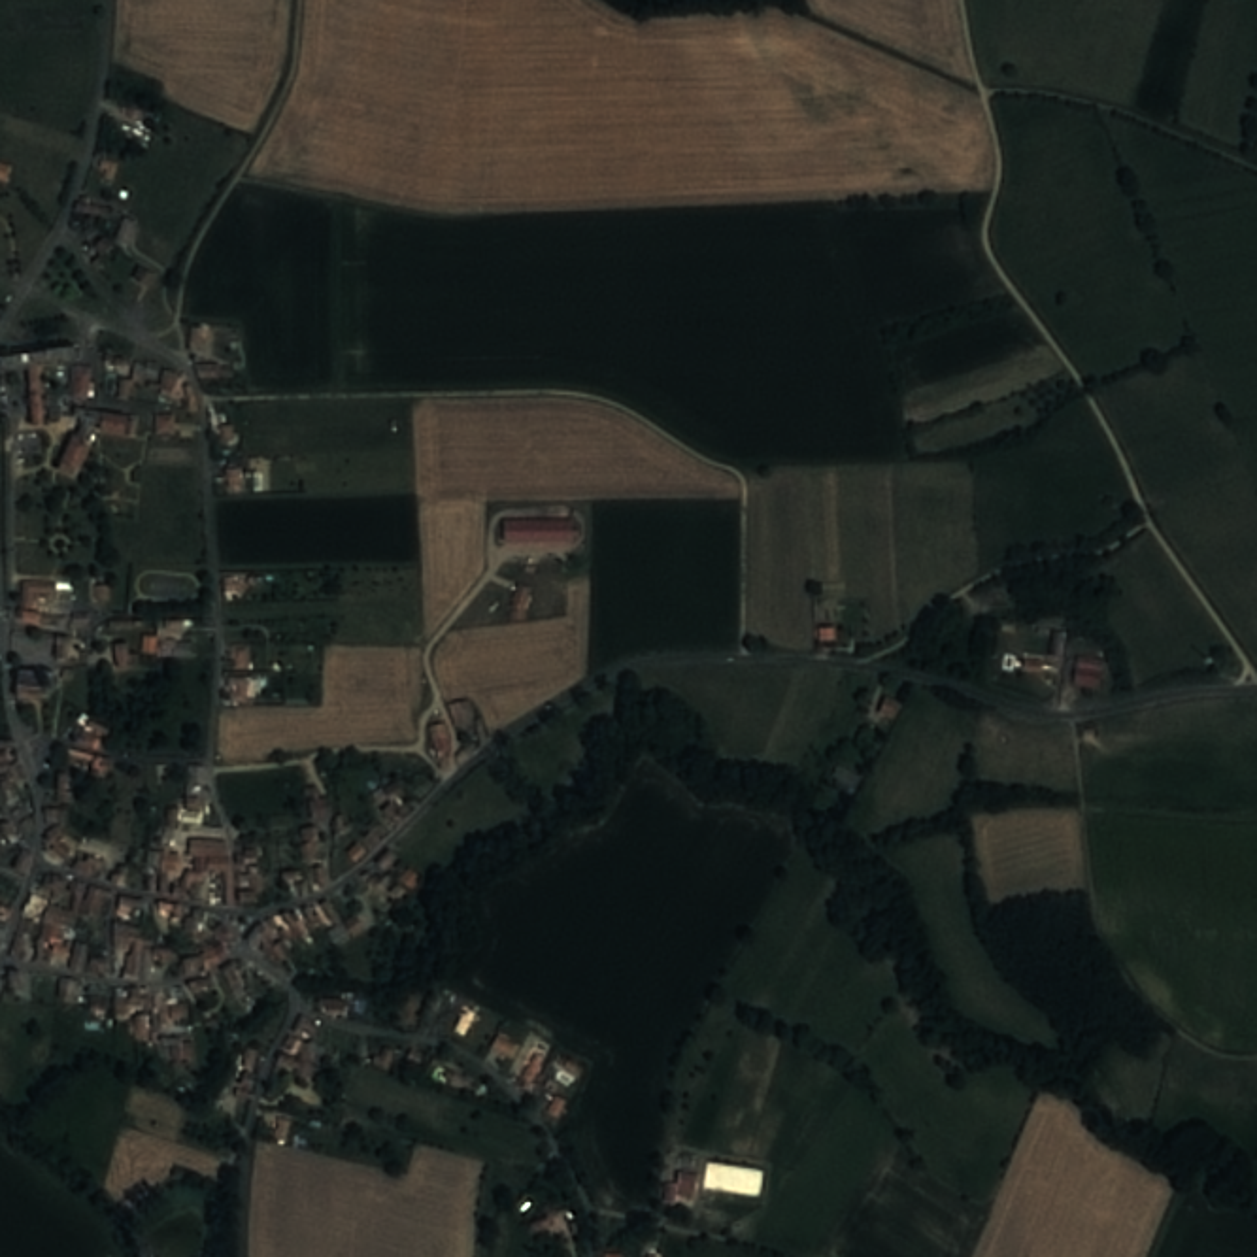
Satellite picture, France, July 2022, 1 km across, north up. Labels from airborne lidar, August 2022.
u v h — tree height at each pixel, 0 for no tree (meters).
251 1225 0
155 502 0
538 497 0
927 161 0
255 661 0
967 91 0
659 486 0
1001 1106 0
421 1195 0
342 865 0
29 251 0
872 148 0
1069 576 13
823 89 0
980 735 0
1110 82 0
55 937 0
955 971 0
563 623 0
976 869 9
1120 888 0
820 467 0
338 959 9
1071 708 0
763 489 0
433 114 0
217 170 0
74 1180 7
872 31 0
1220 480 0
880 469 0
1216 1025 0
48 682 0
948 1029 10
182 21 0
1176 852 0
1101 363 0
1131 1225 0
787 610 0
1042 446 0
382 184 0
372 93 0
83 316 0
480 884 24
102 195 6
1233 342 0
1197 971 0
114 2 0
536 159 0
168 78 0
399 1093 0
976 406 8
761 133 0
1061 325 0
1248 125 13
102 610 0
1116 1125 31
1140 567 0
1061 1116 0
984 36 0
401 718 0
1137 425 0
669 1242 0
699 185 0
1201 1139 19
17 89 0
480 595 0
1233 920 0
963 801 15
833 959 0
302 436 0
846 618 0
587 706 23
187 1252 0
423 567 0
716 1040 0
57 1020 0
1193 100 0
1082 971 14
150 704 19
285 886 12
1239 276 0
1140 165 0
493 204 0
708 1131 0
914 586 0
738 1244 12
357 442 0
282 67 0
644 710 21
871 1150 0
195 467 0
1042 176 0
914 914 21
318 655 0
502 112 0
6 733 7
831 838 19
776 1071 0
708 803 9
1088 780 0
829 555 0
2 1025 0
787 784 25
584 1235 15
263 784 0
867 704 10
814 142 0
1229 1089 0
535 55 0
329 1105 12
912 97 0
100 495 10
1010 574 12
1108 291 0
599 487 0
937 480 0
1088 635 9
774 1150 0
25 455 0
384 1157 8
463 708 0
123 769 8
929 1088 0
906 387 0
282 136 0
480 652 0
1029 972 18
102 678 14
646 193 0
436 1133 0
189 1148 0
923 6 0
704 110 0
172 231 0
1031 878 0
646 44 0
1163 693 0
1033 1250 0
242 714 0
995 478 0
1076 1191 0
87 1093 0
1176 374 0
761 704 0
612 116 0
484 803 0
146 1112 0
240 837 7
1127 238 0
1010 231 0
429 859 0
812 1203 0
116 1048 0
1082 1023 16
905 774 0
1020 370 0
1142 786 0
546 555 0
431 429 0
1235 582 0
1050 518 0
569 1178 17
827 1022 0
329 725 0
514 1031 0
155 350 0
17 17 0
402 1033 8
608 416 0
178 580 0
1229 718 0
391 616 0
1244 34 0
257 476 0
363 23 0
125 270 0
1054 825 0
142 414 0
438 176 0
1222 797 0
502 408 0
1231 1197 18
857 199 9
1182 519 0
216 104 0
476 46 0
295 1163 0
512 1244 0
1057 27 0
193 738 18
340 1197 0
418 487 0
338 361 0
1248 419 0
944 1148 0
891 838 12
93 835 11
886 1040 0
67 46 0
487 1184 0
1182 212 0
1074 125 0
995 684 0
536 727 8
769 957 0
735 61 0
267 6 0
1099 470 0
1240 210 0
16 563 0
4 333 0
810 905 0
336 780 7
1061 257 0
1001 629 7
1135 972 0
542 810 28
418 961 14
